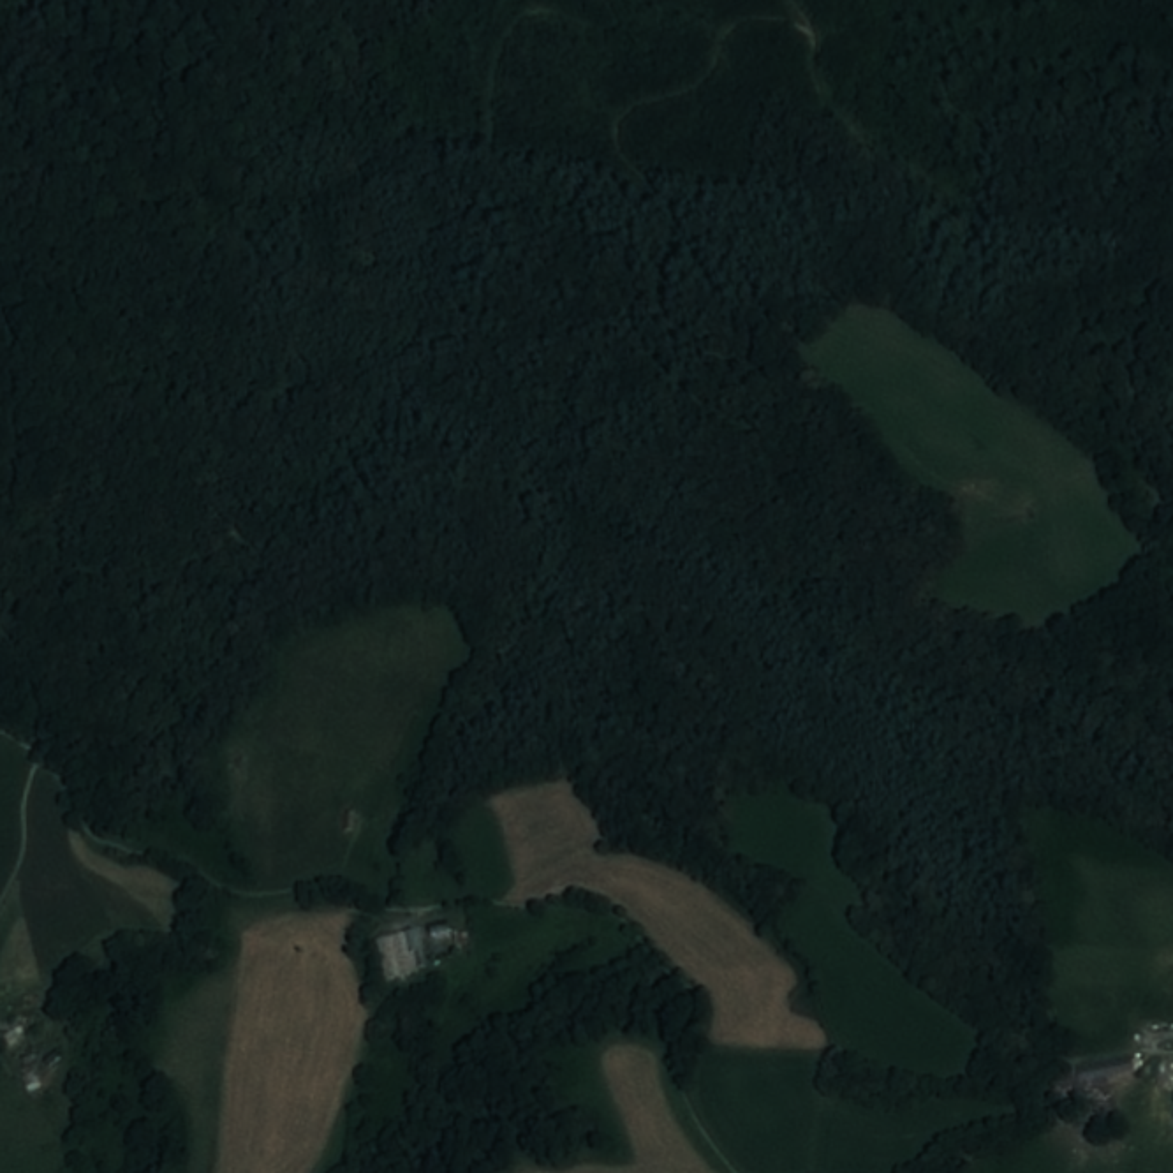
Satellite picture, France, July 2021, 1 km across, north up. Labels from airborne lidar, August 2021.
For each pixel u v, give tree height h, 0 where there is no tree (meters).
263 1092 0
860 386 0
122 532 16
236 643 23
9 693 25
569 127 7
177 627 23
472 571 19
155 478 24
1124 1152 0
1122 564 0
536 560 22
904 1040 0
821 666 28
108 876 0
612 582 17
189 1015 0
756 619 24
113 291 21
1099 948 0
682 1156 0
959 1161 25
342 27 22
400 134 9
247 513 21
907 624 19
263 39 19
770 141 17
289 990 0
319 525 23
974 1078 15
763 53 6
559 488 24
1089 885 0
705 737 24
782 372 23
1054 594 0
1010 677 21
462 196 26
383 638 0
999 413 0
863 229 18
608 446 31
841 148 22
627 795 19
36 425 24
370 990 16
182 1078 0
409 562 20
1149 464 18
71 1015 24
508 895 0
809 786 18
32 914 0
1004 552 0
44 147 26
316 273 22
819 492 18
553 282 17
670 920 0
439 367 27
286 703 0
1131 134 21
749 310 20
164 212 27
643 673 21
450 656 0
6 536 25
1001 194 19
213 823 28
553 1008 28
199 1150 0
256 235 16
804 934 0
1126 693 21
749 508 17
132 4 16
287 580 22
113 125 23
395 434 30
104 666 29
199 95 19
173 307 17
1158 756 19
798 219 20
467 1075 31
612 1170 0
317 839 0
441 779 21
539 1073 22
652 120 6
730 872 18
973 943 22
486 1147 28
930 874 29
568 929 0
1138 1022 0
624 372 22
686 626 17
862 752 25
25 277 18
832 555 21
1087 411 23
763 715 19
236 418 20
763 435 18
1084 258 28
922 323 19
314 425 21
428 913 0
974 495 0
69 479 23
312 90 12
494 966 7
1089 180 18
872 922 17
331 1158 0
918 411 0
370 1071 15
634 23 6
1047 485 0
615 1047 0
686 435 25
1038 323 19
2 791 0
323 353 24
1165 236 22
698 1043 20
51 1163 0
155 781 20
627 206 28
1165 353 20
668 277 20
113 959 20
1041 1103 26
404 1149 22
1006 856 22
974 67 16
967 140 26
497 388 22
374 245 19
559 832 0
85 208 18
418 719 0
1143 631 22
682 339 26
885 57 7
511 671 22
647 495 20
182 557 19
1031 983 25
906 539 21
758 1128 0
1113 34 7
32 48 19
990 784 18
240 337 22
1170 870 0
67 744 22
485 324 24
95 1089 24
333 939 0
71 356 25
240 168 20
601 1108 0
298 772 0
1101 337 24
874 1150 0
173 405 20
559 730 23
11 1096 0
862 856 18
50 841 0
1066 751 23
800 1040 0
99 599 22
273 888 0
